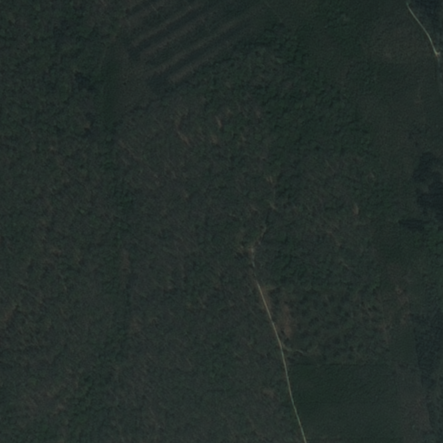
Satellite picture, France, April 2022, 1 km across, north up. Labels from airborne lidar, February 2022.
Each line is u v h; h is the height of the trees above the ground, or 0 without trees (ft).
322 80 79
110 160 76
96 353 99
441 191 72
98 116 75
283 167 83
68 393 83
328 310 98
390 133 37
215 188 88
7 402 88
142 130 89
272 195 93
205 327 98
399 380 57
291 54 76
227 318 95
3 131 96
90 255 93
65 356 91
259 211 87
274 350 87
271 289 98
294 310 94
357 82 44
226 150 91
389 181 84
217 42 42
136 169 86
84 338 97
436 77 24
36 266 90
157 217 100
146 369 85
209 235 93
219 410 109
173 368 95
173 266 90
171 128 86
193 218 102
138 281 85
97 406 73
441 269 71
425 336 76
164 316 95
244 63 75
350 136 90
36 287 90
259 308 94
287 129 77
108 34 89
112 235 91
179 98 86
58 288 98
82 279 100
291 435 84
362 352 62
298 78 88
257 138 87
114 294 72
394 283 32
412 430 35
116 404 83
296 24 38
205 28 35
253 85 98
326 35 44
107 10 81
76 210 105
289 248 95
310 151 86
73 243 92
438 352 86
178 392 97
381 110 42
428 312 46
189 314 96
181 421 101
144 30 37
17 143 81
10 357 100
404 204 36
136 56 37
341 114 79
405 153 38
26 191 98
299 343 0
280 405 83
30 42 95
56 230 94
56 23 100
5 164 73
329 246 92
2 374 91
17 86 88
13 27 86
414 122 19
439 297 55
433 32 59
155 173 84
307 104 97
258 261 90
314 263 96
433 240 65
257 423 100
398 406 33
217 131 90
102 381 78
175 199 91
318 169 87
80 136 95
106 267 81
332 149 90
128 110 32
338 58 44
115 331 63
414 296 56
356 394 31
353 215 97
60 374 102
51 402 78
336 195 99
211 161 78
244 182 88
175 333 97
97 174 97
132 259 82
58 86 84
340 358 96
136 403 78
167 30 34
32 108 89
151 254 93
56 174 98
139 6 41
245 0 40
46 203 93
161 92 34
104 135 80
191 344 100
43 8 102
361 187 85
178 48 35
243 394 91
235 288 97
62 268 91
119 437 97
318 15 40
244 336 93
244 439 64
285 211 97
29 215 99
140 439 79
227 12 40
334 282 96
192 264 89
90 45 92
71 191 94
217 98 84
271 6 34
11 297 89
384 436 30
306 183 91
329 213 102
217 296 40
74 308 89
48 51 94
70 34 93
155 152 71
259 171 98
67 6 94
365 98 43
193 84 39
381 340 93
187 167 70
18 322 98
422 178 71
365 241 87
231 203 84
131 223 107
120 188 81
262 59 94
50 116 86
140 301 85
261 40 40
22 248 107
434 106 20
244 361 97
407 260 62
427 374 66
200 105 96
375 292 39
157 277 94
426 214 71
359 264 99
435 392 41
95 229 98
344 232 99
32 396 90
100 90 84
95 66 99
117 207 87
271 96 84
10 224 92
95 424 70
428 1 88
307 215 92
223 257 100
